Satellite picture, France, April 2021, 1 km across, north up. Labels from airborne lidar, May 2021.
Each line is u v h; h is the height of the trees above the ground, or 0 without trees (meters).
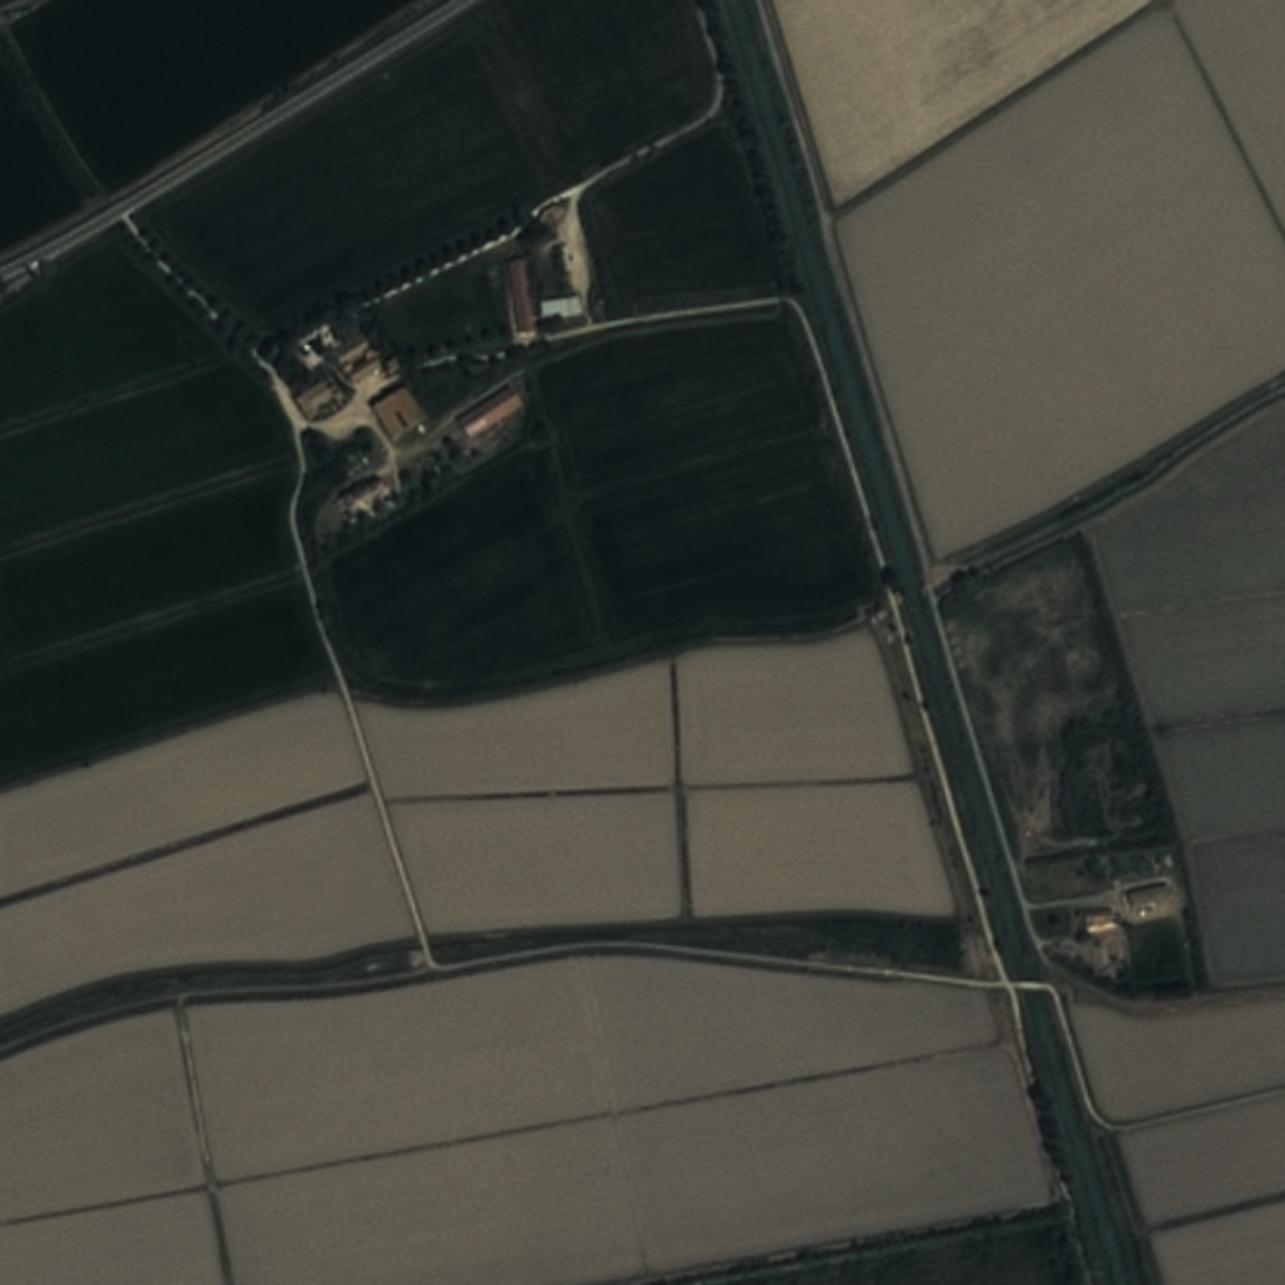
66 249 0
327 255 0
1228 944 0
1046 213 0
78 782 0
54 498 0
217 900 0
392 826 0
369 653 0
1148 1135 0
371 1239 0
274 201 0
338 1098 0
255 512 0
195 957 0
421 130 0
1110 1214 0
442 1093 0
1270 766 0
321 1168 0
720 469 0
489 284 6
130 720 0
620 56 0
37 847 0
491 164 0
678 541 0
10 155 0
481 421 0
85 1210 0
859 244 0
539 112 0
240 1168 0
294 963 0
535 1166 0
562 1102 0
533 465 0
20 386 0
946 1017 0
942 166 0
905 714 0
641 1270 0
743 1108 0
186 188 0
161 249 9
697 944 0
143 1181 0
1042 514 0
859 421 0
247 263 0
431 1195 0
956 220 0
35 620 0
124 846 0
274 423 0
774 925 0
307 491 8
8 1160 0
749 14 0
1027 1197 0
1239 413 0
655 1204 0
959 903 0
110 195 0
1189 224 0
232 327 9
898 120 0
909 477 0
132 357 0
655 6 0
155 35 0
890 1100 0
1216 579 0
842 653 0
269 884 0
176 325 0
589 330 0
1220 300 0
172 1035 0
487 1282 0
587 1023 0
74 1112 0
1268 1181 0
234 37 0
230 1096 0
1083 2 0
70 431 0
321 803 0
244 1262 0
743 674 0
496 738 0
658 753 0
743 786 0
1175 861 0
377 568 0
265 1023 0
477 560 0
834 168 0
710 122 6
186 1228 0
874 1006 0
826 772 0
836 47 0
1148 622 0
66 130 0
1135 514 0
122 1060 0
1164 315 0
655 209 0
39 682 0
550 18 0
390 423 0
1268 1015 0
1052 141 0
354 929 0
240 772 0
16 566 0
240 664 0
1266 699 0
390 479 0
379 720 0
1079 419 0
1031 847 0
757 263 0
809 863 0
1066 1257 11
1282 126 0
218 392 0
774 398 0
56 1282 0
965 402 0
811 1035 0
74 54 0
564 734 0
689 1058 0
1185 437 0
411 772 0
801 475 0
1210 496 0
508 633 0
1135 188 0
